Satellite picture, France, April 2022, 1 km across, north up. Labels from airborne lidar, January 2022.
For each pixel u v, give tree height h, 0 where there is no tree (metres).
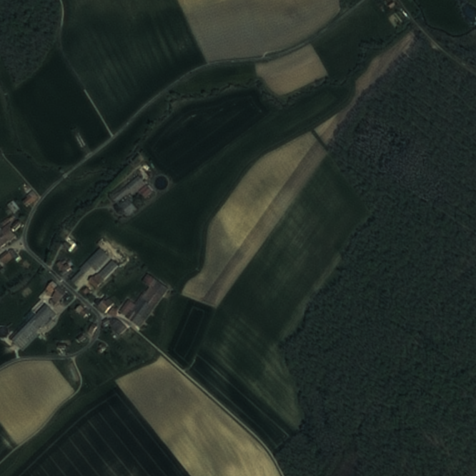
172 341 0
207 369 0
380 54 0
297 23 0
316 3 0
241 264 0
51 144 0
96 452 0
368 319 24
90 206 15
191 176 0
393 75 20
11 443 0
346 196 0
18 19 21
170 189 0
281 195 0
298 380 16
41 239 0
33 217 0
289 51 0
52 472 0
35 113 0
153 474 0
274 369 0
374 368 24
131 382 0
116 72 0
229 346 0
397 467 26
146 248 0
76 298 0
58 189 0
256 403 0
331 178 0
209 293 0
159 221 0
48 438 0
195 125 0
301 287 0
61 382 0
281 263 0
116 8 0
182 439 0
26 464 0
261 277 0
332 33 0
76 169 0
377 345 25
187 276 0
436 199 14
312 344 27
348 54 0
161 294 0
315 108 0
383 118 23
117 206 8
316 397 7
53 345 0
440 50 0
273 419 0
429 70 24
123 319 0
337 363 24
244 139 0
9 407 0
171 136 0
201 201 0
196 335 0
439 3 0
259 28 0
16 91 0
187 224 0
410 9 0
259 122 0
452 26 0
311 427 17
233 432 0
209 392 0
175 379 0
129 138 0
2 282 0
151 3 0
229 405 0
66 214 0
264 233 0
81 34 0
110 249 0
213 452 0
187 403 0
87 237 0
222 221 0
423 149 15
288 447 20
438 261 19
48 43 18
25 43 28
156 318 0
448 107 24
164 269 0
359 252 21
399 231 25
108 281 0
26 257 0
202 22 0
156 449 0
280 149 0
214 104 0
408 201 24
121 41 0
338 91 0
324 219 0
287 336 0
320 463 23
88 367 0
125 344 0
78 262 0
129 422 0
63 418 0
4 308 0
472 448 25
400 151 10
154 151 0
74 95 0
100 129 0
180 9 0
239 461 0
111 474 0
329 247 0
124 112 0
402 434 22
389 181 24
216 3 0
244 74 0
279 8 0
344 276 21
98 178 0
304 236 0
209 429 0
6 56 20
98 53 0
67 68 0
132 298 0
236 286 0
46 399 0
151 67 0
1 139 0
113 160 0
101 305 0
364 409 22
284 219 0
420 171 17
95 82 0
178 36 0
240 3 0
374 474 25
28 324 0
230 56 0
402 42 0
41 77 0
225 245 0
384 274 24
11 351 0
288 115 0
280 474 0
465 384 20
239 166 0
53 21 21
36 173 0
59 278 0
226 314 0
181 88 0
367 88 0
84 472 0
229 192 0
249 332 0
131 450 0
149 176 0
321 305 23
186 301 0
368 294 25
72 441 0
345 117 0
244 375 0
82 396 0
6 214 0
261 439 0
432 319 18
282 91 0
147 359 0
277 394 0
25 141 0
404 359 21
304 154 0
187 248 0
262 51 0
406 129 19
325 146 0
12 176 0
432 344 21
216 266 0
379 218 18
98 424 0
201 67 0
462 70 0
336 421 23
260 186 0
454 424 23
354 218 0
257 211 0
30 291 0
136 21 0
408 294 21
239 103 0
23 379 0
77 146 0
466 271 19
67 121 0
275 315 0
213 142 0
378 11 0
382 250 25
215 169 0
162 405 0
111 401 0
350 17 0
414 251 22
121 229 0
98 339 0
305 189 0
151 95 0
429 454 24
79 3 0
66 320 0
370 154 18
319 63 0
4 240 0
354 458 0
